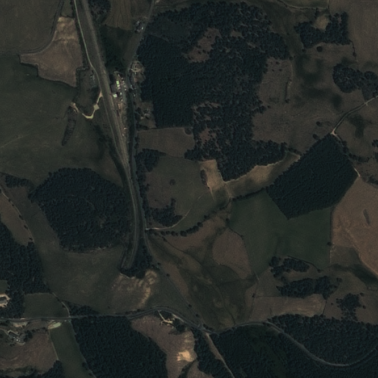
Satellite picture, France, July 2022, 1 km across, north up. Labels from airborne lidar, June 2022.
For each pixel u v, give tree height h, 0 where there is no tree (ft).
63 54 0
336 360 47
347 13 55
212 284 0
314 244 0
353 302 27
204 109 46
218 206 0
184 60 54
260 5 0
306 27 73
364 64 0
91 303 0
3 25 0
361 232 0
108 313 0
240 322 0
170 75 44
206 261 0
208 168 0
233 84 46
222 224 0
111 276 0
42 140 0
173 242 0
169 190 0
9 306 55
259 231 0
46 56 0
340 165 78
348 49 0
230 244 0
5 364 0
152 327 0
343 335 54
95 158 0
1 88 0
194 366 0
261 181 0
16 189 0
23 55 0
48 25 0
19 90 0
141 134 0
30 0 0
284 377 0
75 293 0
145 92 68
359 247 0
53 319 0
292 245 0
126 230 47
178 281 0
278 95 0
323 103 0
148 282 0
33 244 49
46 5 0
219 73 63
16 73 0
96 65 0
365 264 0
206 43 0
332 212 0
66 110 0
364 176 0
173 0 0
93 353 94
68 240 44
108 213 56
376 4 0
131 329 69
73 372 0
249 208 0
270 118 0
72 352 0
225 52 52
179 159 0
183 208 0
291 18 0
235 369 71
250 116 39
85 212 44
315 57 0
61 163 0
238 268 0
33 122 0
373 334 69
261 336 20
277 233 0
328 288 62
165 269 0
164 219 49
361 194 0
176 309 0
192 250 0
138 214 0
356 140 0
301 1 0
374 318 0
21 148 0
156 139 0
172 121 57
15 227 0
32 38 0
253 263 0
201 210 0
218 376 71
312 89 0
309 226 0
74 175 53
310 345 53
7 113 0
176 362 0
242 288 0
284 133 0
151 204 0
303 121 0
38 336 0
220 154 54
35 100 0
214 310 0
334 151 56
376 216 0
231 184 0
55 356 0
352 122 0
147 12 0
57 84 0
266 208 0
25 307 20
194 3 0
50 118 0
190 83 47
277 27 0
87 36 0
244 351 59
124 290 0
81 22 0
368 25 0
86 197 53
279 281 0
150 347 56
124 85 0
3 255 62
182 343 0
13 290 55
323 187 54
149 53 57
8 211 0
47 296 0
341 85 48
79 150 0
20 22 0
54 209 47
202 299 0
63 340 0
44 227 0
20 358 0
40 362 0
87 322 40
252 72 59
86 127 0
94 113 0
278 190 61
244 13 62
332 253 0
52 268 0
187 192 0
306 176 70
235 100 37
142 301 0
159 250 0
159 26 21
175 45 40
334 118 0
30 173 0
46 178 0
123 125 0
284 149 61
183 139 0
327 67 0
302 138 0
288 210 63
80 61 0
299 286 54
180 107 43
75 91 0
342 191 58
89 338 82
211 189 0
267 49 50
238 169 36
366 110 0
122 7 0
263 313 0
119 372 72
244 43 58
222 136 45
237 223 0
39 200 50
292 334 70
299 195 64
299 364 84
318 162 63
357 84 36
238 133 49
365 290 0
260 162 55
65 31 0
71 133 0
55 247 0
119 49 0
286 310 0
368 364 56
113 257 0
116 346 63
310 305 0
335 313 0
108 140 0
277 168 0
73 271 0
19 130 0
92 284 0
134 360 57
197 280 0
